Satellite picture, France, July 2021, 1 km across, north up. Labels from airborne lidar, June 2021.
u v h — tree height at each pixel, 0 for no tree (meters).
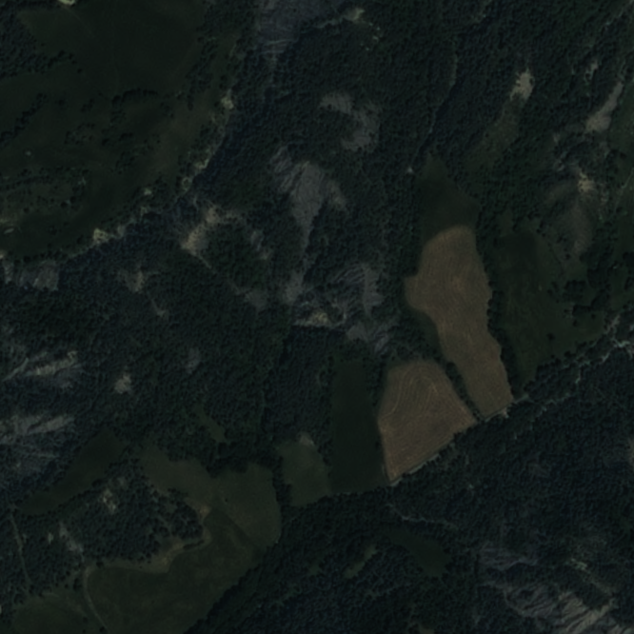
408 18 10
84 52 0
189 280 11
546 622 8
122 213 12
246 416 12
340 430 0
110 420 14
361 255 6
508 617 14
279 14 0
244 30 10
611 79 8
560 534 9
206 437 12
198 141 8
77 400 11
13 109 0
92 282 10
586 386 15
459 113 19
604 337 7
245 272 13
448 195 0
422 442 0
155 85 0
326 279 15
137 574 0
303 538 10
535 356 0
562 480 12
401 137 7
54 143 0
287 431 18
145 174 0
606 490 13
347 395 0
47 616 0
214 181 18
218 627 12
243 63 10
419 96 15
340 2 0
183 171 13
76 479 0
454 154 17
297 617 20
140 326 9
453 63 9
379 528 12
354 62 13
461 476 12
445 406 0
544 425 16
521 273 0
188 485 0
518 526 17
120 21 0
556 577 11
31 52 11
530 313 0
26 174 12
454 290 0
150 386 14
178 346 9
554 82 12
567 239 7
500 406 0
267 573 14
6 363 14
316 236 10
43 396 11
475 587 17
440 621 7
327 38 18
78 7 8
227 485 0
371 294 0
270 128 15
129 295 10
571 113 13
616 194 0
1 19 13
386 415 0
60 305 8
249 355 6
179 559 0
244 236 9
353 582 12
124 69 0
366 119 0
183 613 0
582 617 0
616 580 12
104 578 0
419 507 15
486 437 21
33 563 14
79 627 0
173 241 7
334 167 9
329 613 16
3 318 9
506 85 7
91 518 14
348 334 7
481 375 0
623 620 13
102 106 0
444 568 0
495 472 19
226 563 0
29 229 0
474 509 19
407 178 17
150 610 0
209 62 10
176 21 0
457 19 15
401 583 14
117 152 0
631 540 11
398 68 17
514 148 13
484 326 0
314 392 7
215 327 11
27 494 12
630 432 7
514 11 10
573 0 7
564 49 7
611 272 14
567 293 8
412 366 0
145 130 0
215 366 14
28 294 10
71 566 8
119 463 11
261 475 0
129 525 13
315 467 0
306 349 17
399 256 9
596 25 6
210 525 0
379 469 0
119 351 10
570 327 0
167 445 8
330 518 21
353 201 12
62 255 16
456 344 0
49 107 0
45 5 12
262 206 9
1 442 0
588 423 18
